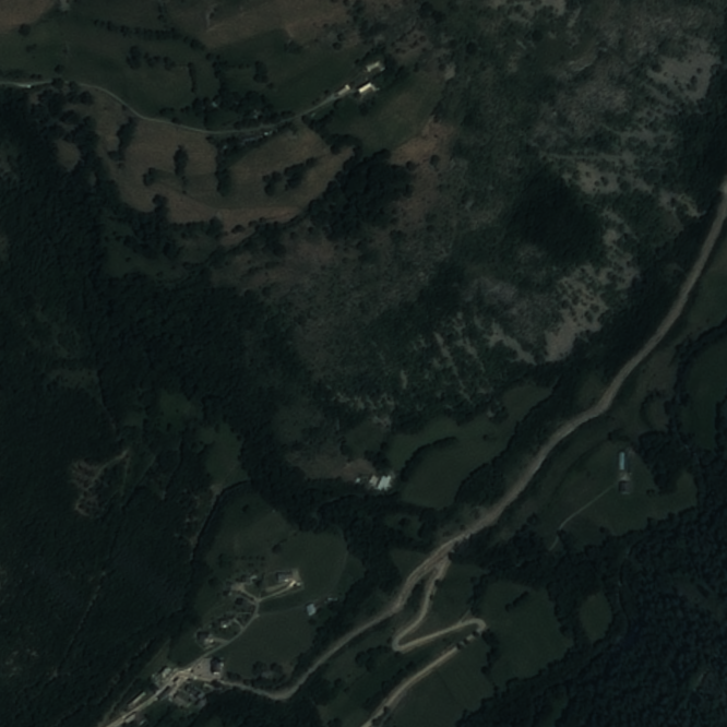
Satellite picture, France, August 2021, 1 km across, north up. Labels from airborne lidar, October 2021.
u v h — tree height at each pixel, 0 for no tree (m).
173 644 7
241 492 16
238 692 13
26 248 19
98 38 0
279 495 27
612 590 12
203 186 0
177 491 20
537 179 12
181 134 0
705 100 12
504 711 10
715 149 17
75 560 16
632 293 13
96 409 23
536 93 6
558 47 0
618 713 15
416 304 7
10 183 18
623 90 9
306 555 0
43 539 16
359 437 0
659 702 12
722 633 13
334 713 0
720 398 0
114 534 8
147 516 17
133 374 15
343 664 0
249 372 7
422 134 0
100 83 0
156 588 19
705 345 13
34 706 16
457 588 0
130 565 18
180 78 0
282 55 0
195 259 0
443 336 10
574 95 7
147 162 0
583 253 11
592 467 0
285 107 0
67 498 19
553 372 14
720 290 0
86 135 22
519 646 0
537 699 10
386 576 14
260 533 0
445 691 0
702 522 7
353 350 7
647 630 29
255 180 0
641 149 9
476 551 19
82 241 23
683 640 18
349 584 0
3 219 7
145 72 0
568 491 0
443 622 0
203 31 0
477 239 6
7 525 7
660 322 16
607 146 10
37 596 14
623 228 8
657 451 12
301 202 0
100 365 19
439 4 0
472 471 0
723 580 17
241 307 8
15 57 0
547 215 21
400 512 15
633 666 23
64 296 10
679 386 11
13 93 15
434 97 0
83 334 12
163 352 26
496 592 0
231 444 0
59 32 0
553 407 18
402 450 0
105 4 0
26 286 9
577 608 15
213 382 25
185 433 10
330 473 0
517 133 7
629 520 0
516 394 0
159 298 21
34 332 8
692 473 14
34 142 25
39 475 19
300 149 0
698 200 7
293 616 0
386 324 7
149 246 25
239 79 0
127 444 14
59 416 22
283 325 8
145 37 19
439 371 7
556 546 0
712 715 8
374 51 11
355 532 21
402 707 0
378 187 25
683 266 6
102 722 16
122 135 17
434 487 0
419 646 0
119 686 8
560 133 9
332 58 0
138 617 15
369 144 0
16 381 22
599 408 0
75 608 17
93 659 21
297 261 0
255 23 0
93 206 27
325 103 0
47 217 22
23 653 10
